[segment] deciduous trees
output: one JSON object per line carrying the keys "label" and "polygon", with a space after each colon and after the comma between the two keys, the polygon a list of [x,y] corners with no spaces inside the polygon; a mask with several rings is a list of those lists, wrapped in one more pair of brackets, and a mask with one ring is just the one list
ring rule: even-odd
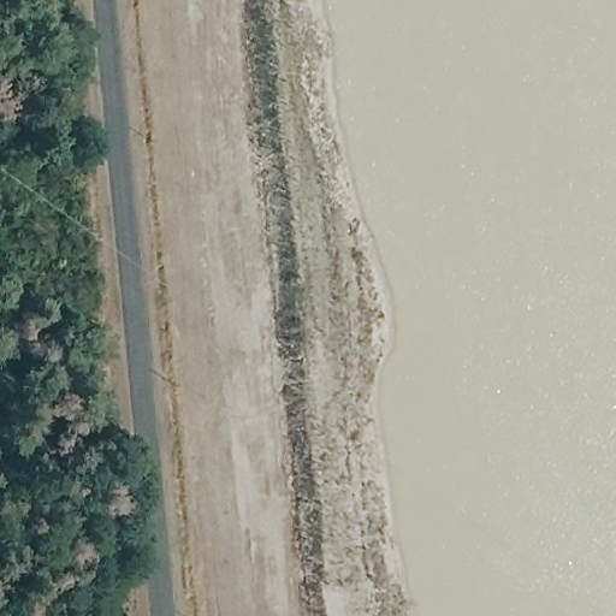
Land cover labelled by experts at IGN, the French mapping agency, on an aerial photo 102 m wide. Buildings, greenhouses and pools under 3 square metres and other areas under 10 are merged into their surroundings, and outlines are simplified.
{"label": "deciduous trees", "polygon": [[[67,455],[94,428],[116,426],[111,431],[111,440],[101,440],[99,445],[94,445],[91,452],[84,455],[84,464],[79,464],[77,469],[60,469],[51,455],[43,455],[43,464],[34,469],[34,476],[14,469],[0,469],[0,616],[123,616],[123,606],[130,590],[137,585],[149,587],[154,585],[161,570],[161,551],[156,539],[159,517],[166,515],[161,496],[159,450],[149,450],[149,438],[132,436],[118,426],[116,392],[101,387],[106,327],[99,322],[99,308],[103,274],[96,267],[99,243],[91,238],[87,193],[77,188],[82,176],[89,176],[101,161],[108,164],[113,159],[113,137],[103,118],[96,123],[94,118],[84,116],[87,82],[94,67],[94,53],[99,51],[101,31],[94,19],[91,0],[60,0],[63,22],[70,26],[63,29],[53,41],[60,46],[67,65],[53,72],[53,89],[63,91],[63,106],[48,111],[34,94],[29,94],[22,108],[17,111],[17,120],[0,118],[0,368],[5,373],[12,373],[10,361],[19,359],[19,344],[26,339],[31,342],[31,351],[36,356],[48,359],[43,368],[29,373],[29,380],[24,385],[24,390],[29,392],[29,404],[39,409],[39,421],[12,426],[0,433],[0,438],[5,443],[17,443],[22,455],[31,455],[51,433],[53,419],[63,416],[67,419],[67,436],[60,440],[60,445],[63,455]],[[51,315],[31,318],[29,325],[19,325],[14,318],[14,308],[19,306],[24,291],[46,298],[46,308],[51,310]],[[48,590],[43,594],[31,592],[31,599],[22,599],[19,590],[14,587],[14,580],[19,580],[24,573],[39,575],[48,585]]]}

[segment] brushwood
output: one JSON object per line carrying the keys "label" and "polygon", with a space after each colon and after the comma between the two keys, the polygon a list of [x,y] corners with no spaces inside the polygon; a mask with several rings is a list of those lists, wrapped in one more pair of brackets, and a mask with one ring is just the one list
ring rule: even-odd
{"label": "brushwood", "polygon": [[313,452],[306,411],[306,368],[301,356],[306,344],[303,322],[308,318],[315,318],[315,303],[310,298],[313,284],[303,279],[298,284],[296,279],[298,267],[294,243],[291,190],[286,159],[282,152],[282,125],[277,113],[277,53],[272,24],[265,14],[267,0],[243,0],[241,46],[245,53],[243,72],[248,91],[245,125],[250,135],[248,142],[257,147],[257,152],[253,154],[253,185],[257,188],[260,197],[257,212],[265,214],[265,262],[270,272],[279,359],[284,366],[282,395],[286,404],[286,433],[291,443],[294,503],[289,515],[291,539],[286,551],[291,553],[291,558],[301,561],[303,570],[303,580],[296,590],[298,611],[294,616],[327,616],[322,599],[322,503],[313,474]]}

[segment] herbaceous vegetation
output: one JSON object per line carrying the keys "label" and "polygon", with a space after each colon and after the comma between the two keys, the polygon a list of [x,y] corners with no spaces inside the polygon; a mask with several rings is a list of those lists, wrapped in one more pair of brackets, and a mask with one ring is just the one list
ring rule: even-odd
{"label": "herbaceous vegetation", "polygon": [[361,438],[366,426],[373,424],[373,419],[363,409],[371,395],[375,366],[383,361],[383,351],[375,351],[371,344],[371,334],[373,320],[383,320],[383,310],[378,308],[373,274],[363,262],[363,253],[359,250],[361,224],[356,217],[349,221],[332,197],[337,180],[334,154],[339,154],[339,142],[337,135],[330,132],[327,103],[310,106],[308,101],[310,96],[322,96],[327,87],[325,79],[315,77],[318,63],[322,60],[322,46],[315,39],[318,24],[313,14],[301,12],[301,2],[306,0],[267,0],[265,14],[272,24],[277,53],[277,113],[282,125],[282,152],[286,159],[291,190],[294,243],[298,267],[296,279],[298,284],[303,279],[313,284],[310,298],[315,303],[315,318],[308,318],[303,322],[306,344],[301,356],[306,368],[306,411],[313,452],[313,474],[322,503],[322,599],[327,616],[407,616],[407,599],[402,594],[402,587],[387,578],[385,556],[380,553],[387,525],[383,488],[375,481],[366,479],[363,464],[363,457],[373,455],[373,443],[366,443]]}
{"label": "herbaceous vegetation", "polygon": [[103,118],[99,51],[94,53],[94,67],[87,82],[84,116],[94,118],[96,123]]}
{"label": "herbaceous vegetation", "polygon": [[46,308],[46,298],[24,291],[19,306],[14,308],[14,318],[19,325],[29,325],[31,318],[51,315],[51,310]]}
{"label": "herbaceous vegetation", "polygon": [[91,238],[99,243],[96,267],[103,274],[99,308],[99,322],[106,327],[101,387],[116,392],[118,426],[132,436],[135,424],[130,404],[123,296],[118,277],[108,164],[101,161],[89,176],[82,176],[77,188],[87,193]]}
{"label": "herbaceous vegetation", "polygon": [[60,440],[67,436],[67,419],[63,416],[53,419],[51,433],[31,455],[22,455],[17,443],[5,443],[0,438],[0,469],[14,469],[34,476],[34,469],[43,464],[43,455],[51,455],[60,469],[77,469],[79,464],[84,464],[84,455],[91,452],[94,445],[99,445],[101,440],[111,440],[111,431],[116,426],[94,428],[67,455],[63,455],[60,445]]}
{"label": "herbaceous vegetation", "polygon": [[123,616],[147,616],[149,587],[137,585],[130,590],[123,606]]}
{"label": "herbaceous vegetation", "polygon": [[19,590],[22,599],[31,599],[31,592],[43,594],[48,590],[48,585],[39,575],[24,573],[19,580],[14,580],[14,587]]}
{"label": "herbaceous vegetation", "polygon": [[24,385],[29,380],[29,373],[43,368],[48,359],[36,356],[31,351],[31,342],[26,339],[19,344],[19,359],[10,361],[12,373],[5,373],[0,368],[0,433],[12,426],[39,421],[39,409],[29,404],[29,392],[24,390]]}
{"label": "herbaceous vegetation", "polygon": [[140,214],[142,272],[149,310],[159,450],[161,496],[166,515],[173,602],[180,616],[294,616],[298,611],[296,590],[303,580],[303,570],[301,561],[291,558],[291,553],[286,551],[291,539],[289,515],[294,503],[291,443],[286,433],[286,404],[282,395],[284,366],[279,359],[270,272],[265,262],[265,214],[257,212],[260,197],[257,188],[253,185],[253,154],[257,152],[257,147],[248,142],[250,135],[245,125],[248,91],[243,72],[245,53],[241,46],[243,0],[118,0],[123,72],[130,111],[135,195]]}

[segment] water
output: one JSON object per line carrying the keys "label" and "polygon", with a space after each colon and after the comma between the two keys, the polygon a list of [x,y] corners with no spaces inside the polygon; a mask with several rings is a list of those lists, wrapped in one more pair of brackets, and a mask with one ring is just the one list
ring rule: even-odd
{"label": "water", "polygon": [[363,183],[361,195],[368,200],[368,209],[363,209],[361,214],[375,245],[378,265],[383,270],[392,303],[392,351],[397,356],[387,363],[387,373],[383,375],[378,395],[383,440],[387,455],[387,479],[392,491],[397,532],[404,537],[404,549],[399,553],[404,561],[407,582],[419,597],[419,611],[424,616],[616,616],[616,0],[332,0],[337,24],[337,39],[332,41],[332,48],[339,51],[339,58],[332,65],[337,65],[351,79],[351,87],[337,108],[344,108],[351,118],[351,137],[347,142],[351,144],[356,168]]}

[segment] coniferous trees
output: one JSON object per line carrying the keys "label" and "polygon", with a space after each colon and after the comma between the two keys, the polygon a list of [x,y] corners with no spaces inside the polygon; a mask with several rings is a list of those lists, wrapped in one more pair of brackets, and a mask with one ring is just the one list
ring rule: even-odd
{"label": "coniferous trees", "polygon": [[22,108],[29,94],[34,94],[48,111],[63,106],[63,91],[53,89],[53,72],[67,65],[60,46],[53,41],[63,29],[70,26],[63,22],[60,0],[0,0],[0,118],[17,120],[17,111]]}

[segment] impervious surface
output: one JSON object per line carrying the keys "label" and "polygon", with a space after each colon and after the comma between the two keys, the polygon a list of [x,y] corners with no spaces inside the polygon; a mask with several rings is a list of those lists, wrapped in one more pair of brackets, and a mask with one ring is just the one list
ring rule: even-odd
{"label": "impervious surface", "polygon": [[173,602],[166,515],[159,517],[156,539],[161,551],[161,570],[154,585],[149,587],[147,616],[180,616]]}
{"label": "impervious surface", "polygon": [[113,137],[113,159],[108,164],[118,277],[123,296],[130,404],[135,424],[132,436],[149,438],[149,450],[159,450],[149,310],[142,272],[140,214],[135,195],[130,111],[123,72],[118,0],[91,0],[94,19],[101,31],[99,51],[103,118]]}

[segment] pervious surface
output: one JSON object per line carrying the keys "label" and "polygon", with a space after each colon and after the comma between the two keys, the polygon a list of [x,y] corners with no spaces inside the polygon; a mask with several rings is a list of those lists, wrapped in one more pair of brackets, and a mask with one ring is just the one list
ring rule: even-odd
{"label": "pervious surface", "polygon": [[339,51],[332,48],[332,41],[337,39],[337,24],[332,0],[306,0],[301,2],[301,12],[313,14],[318,24],[315,39],[322,46],[322,60],[318,63],[315,77],[325,79],[327,87],[322,96],[310,96],[308,101],[310,106],[327,103],[330,132],[337,135],[339,142],[339,154],[334,154],[337,180],[332,197],[349,221],[356,217],[361,224],[359,250],[363,253],[363,262],[373,274],[378,308],[383,310],[383,320],[373,320],[371,334],[371,344],[375,351],[383,351],[383,361],[375,366],[371,395],[363,409],[373,419],[373,424],[366,426],[361,438],[366,443],[373,443],[373,455],[363,457],[363,464],[366,479],[375,481],[383,488],[387,525],[380,553],[385,556],[387,578],[402,587],[402,594],[407,599],[407,616],[424,616],[419,611],[419,597],[407,582],[404,561],[399,553],[404,549],[404,537],[397,532],[392,491],[387,479],[387,455],[383,440],[378,395],[383,375],[387,373],[387,363],[397,356],[392,351],[392,303],[383,270],[378,265],[375,245],[361,214],[363,209],[368,209],[368,200],[361,195],[363,183],[356,168],[351,144],[347,142],[351,137],[351,118],[344,108],[337,108],[351,87],[351,79],[337,65],[332,65],[339,58]]}

